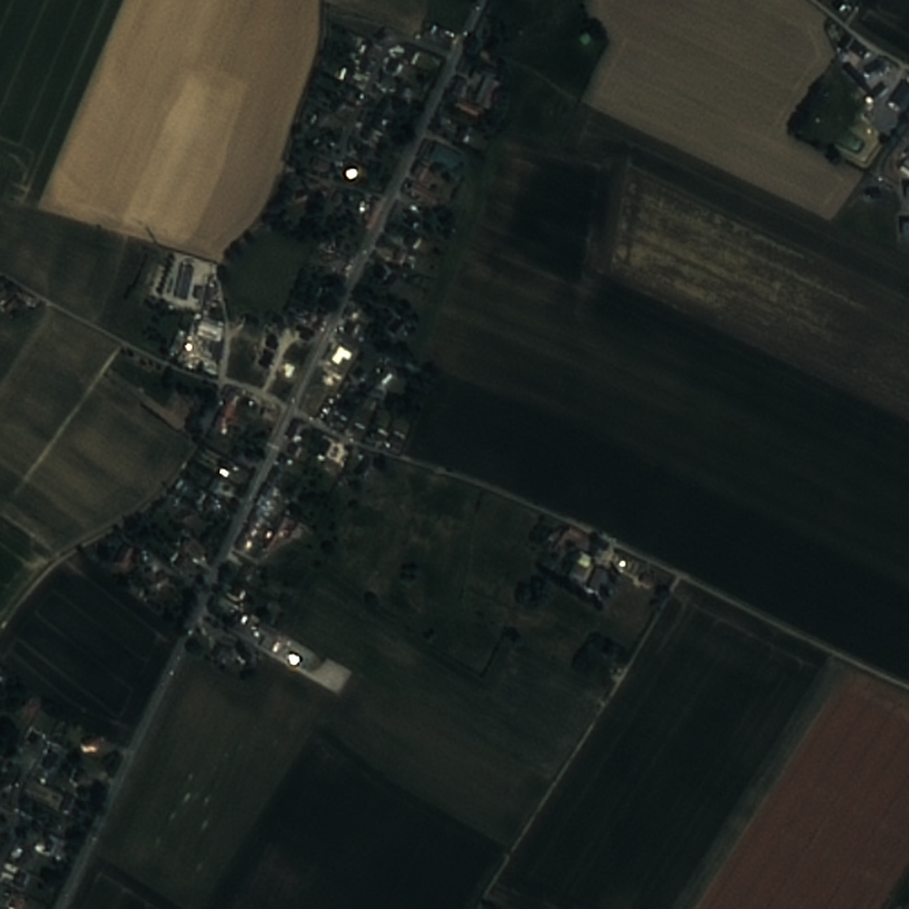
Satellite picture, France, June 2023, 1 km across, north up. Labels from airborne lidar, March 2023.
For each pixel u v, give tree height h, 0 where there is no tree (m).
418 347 0
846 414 0
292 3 0
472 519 0
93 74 0
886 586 0
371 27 0
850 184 0
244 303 0
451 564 0
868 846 0
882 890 0
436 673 0
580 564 0
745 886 0
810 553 0
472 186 0
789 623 0
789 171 0
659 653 0
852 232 0
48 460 0
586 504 0
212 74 0
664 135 0
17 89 0
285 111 0
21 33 0
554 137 0
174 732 0
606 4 0
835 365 0
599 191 0
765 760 0
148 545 17
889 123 0
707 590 0
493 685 0
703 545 0
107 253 0
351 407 11
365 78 0
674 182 0
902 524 0
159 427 0
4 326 0
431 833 0
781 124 0
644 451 0
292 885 0
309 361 0
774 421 0
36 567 0
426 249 0
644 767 0
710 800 0
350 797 0
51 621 0
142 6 0
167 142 0
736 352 0
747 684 0
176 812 0
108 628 0
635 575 0
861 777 0
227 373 0
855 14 0
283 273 0
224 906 0
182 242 0
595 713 0
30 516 0
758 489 0
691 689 0
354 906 0
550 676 0
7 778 6
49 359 0
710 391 0
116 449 0
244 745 0
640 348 0
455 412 0
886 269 0
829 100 0
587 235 0
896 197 0
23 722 0
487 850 0
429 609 0
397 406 16
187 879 0
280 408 0
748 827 0
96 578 0
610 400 0
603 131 0
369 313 12
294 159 8
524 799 0
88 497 0
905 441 0
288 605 8
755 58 0
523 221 0
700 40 0
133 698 0
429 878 0
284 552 0
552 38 0
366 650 0
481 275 0
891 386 0
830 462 0
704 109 0
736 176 0
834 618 0
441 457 0
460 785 0
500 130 8
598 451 0
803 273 0
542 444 0
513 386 0
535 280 0
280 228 9
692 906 0
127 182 0
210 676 0
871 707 0
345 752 0
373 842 0
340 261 0
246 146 0
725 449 0
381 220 0
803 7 0
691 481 0
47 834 6
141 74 0
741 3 0
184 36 0
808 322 0
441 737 0
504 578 0
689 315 0
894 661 0
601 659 0
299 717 0
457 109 7
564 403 0
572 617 0
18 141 0
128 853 0
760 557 0
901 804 0
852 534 0
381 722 0
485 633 0
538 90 0
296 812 0
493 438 0
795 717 0
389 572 0
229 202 0
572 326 0
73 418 0
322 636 0
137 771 0
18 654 0
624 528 0
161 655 0
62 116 0
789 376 0
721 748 0
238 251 11
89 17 0
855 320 0
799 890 0
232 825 0
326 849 0
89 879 0
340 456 0
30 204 0
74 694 0
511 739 0
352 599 0
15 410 0
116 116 0
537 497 0
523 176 0
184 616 18
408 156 0
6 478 0
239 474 0
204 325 0
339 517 0
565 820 0
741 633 0
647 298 0
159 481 0
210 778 0
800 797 0
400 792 0
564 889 0
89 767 0
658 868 0
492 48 10
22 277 0
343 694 0
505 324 0
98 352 0
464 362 0
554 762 0
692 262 0
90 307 0
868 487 0
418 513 0
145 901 0
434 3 0
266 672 0
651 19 0
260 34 0
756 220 0
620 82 0
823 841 0
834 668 0
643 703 0
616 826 0
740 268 0
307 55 0
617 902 0
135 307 0
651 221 0
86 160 0
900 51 0
